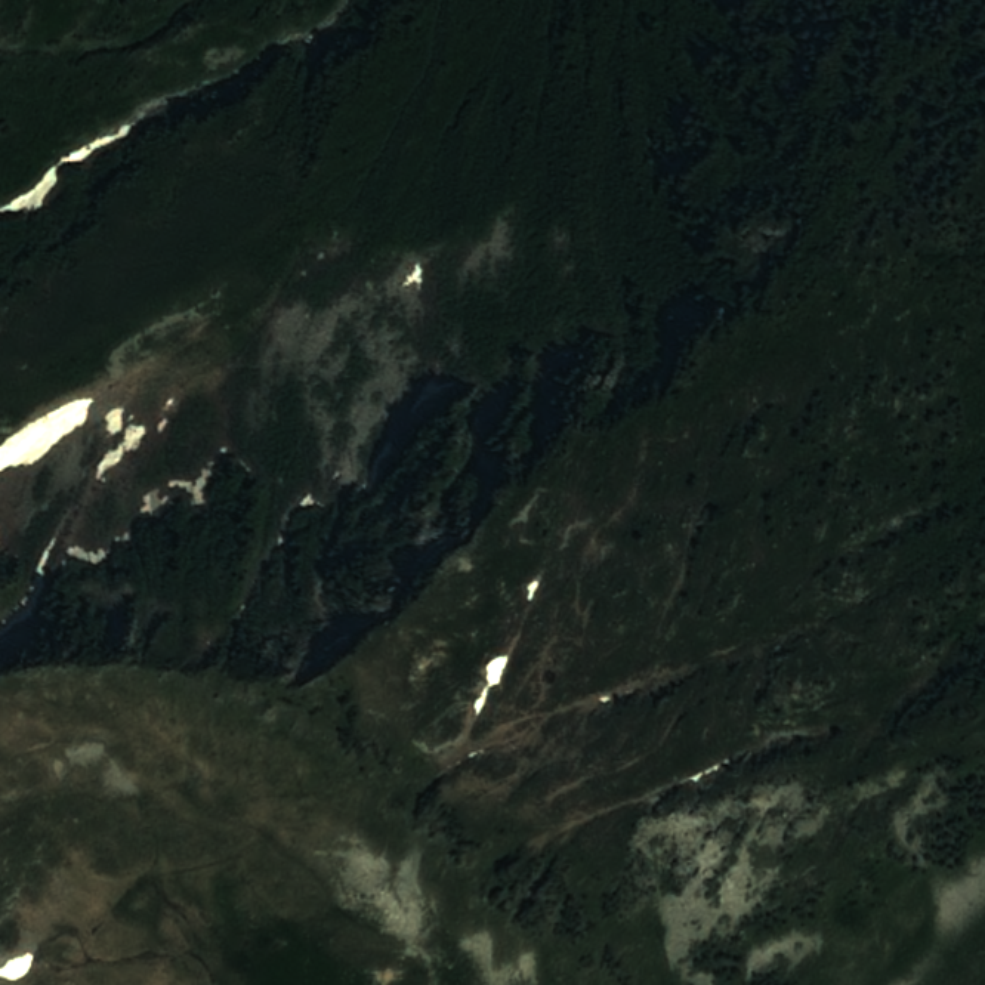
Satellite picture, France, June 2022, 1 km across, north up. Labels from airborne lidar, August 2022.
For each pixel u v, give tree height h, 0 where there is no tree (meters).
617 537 0
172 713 0
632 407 14
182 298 0
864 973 0
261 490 8
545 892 7
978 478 5
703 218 12
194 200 0
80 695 0
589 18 8
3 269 6
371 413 0
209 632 0
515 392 8
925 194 12
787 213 12
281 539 0
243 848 0
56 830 0
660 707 10
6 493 0
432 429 8
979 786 24
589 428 12
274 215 0
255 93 7
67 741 0
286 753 0
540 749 0
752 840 0
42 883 0
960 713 7
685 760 0
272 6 13
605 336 9
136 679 0
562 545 0
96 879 0
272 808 0
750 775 0
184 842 0
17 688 0
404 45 7
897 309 0
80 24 0
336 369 0
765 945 0
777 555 0
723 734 0
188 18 8
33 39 0
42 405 0
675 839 0
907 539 5
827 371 0
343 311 0
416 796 0
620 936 0
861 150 14
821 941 0
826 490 15
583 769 0
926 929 0
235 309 0
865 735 0
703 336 12
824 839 0
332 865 0
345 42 8
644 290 9
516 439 18
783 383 0
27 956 0
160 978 0
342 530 19
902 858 7
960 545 7
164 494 0
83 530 0
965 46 8
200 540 6
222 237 0
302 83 7
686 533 0
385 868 0
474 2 9
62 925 0
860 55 6
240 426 6
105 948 0
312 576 7
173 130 12
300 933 0
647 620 0
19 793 0
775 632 0
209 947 0
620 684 0
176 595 6
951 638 12
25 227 6
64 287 0
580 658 0
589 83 7
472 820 0
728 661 0
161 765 0
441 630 0
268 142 7
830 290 9
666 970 0
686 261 8
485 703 0
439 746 0
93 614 8
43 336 0
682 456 0
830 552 0
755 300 7
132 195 0
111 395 0
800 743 20
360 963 0
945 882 0
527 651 0
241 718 0
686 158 7
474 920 0
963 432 11
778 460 0
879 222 12
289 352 0
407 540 6
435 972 0
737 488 0
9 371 0
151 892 0
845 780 0
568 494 0
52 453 0
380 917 0
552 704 0
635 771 0
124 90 8
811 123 9
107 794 0
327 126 6
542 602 0
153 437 0
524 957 0
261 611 6
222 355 0
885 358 0
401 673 0
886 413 0
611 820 0
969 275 7
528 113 7
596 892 0
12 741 0
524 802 0
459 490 7
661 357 7
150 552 9
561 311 6
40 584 0
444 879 0
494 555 0
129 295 0
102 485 0
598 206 6
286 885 0
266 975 0
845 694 0
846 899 9
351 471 0
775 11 5
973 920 0
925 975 0
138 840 0
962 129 7
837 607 0
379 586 9
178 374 0
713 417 0
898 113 8
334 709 0
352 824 0
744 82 11
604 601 0
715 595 0
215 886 0
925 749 0
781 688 0
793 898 0
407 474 6
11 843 0
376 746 7
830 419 8
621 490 0
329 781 0
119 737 0
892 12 16
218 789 0
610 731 0
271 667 5
